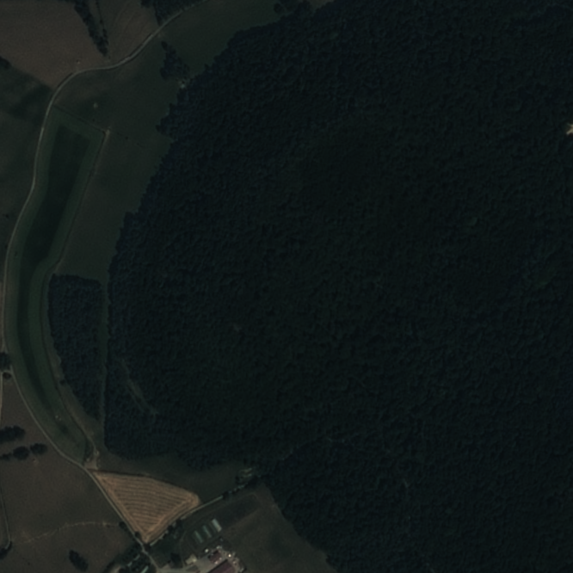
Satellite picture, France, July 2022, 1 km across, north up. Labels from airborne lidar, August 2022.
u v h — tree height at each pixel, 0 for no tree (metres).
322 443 26
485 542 26
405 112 24
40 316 0
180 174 22
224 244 19
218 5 0
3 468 0
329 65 29
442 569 21
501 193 23
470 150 17
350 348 13
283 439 23
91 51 0
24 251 0
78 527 0
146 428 16
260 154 12
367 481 24
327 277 18
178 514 0
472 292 12
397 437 23
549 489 27
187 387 19
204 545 0
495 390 28
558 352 26
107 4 0
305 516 23
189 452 15
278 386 15
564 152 24
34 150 0
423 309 27
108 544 0
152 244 25
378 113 22
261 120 19
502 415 29
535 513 22
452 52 25
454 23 26
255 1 0
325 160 8
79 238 0
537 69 30
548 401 26
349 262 21
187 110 19
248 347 19
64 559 0
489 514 25
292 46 26
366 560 20
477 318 24
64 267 0
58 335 16
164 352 19
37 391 0
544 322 31
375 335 26
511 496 26
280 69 24
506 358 30
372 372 23
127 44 0
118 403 22
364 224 17
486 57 23
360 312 32
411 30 31
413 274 23
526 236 15
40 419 0
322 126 19
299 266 20
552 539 27
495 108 22
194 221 20
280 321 18
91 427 0
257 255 19
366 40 30
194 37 0
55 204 0
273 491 19
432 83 24
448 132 20
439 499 22
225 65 16
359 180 12
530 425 27
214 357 11
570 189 25
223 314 21
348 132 17
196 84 6
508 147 21
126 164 0
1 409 0
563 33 15
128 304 23
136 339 21
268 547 0
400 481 14
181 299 25
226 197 21
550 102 29
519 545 23
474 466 20
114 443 20
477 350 23
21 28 0
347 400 18
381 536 19
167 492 0
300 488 26
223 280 19
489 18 26
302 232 16
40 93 0
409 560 22
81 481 0
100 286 18
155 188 16
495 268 16
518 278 27
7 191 0
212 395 21
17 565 0
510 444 29
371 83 25
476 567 24
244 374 19
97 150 0
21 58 0
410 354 24
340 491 26
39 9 0
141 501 0
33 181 0
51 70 0
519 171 21
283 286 21
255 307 23
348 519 25
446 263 20
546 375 30
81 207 0
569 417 27
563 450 25
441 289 21
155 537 0
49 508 0
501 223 13
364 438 23
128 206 0
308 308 23
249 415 26
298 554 0
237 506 0
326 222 20
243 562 0
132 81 0
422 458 22
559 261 28
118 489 0
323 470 22
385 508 23
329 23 28
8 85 0
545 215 24
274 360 24
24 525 0
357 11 29
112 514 0
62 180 0
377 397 20
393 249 24
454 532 22
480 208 20
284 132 15
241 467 0
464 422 27
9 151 0
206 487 0
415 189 20
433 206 23
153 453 10
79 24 0
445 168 13
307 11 19
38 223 0
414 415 23
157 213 25
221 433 23
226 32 0
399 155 19
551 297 25
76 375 20
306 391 25
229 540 0
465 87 25
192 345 20
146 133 0
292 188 14
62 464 0
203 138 25
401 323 30
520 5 26
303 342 27
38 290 0
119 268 19
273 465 16
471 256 14
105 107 0
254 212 21
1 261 0
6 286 0
